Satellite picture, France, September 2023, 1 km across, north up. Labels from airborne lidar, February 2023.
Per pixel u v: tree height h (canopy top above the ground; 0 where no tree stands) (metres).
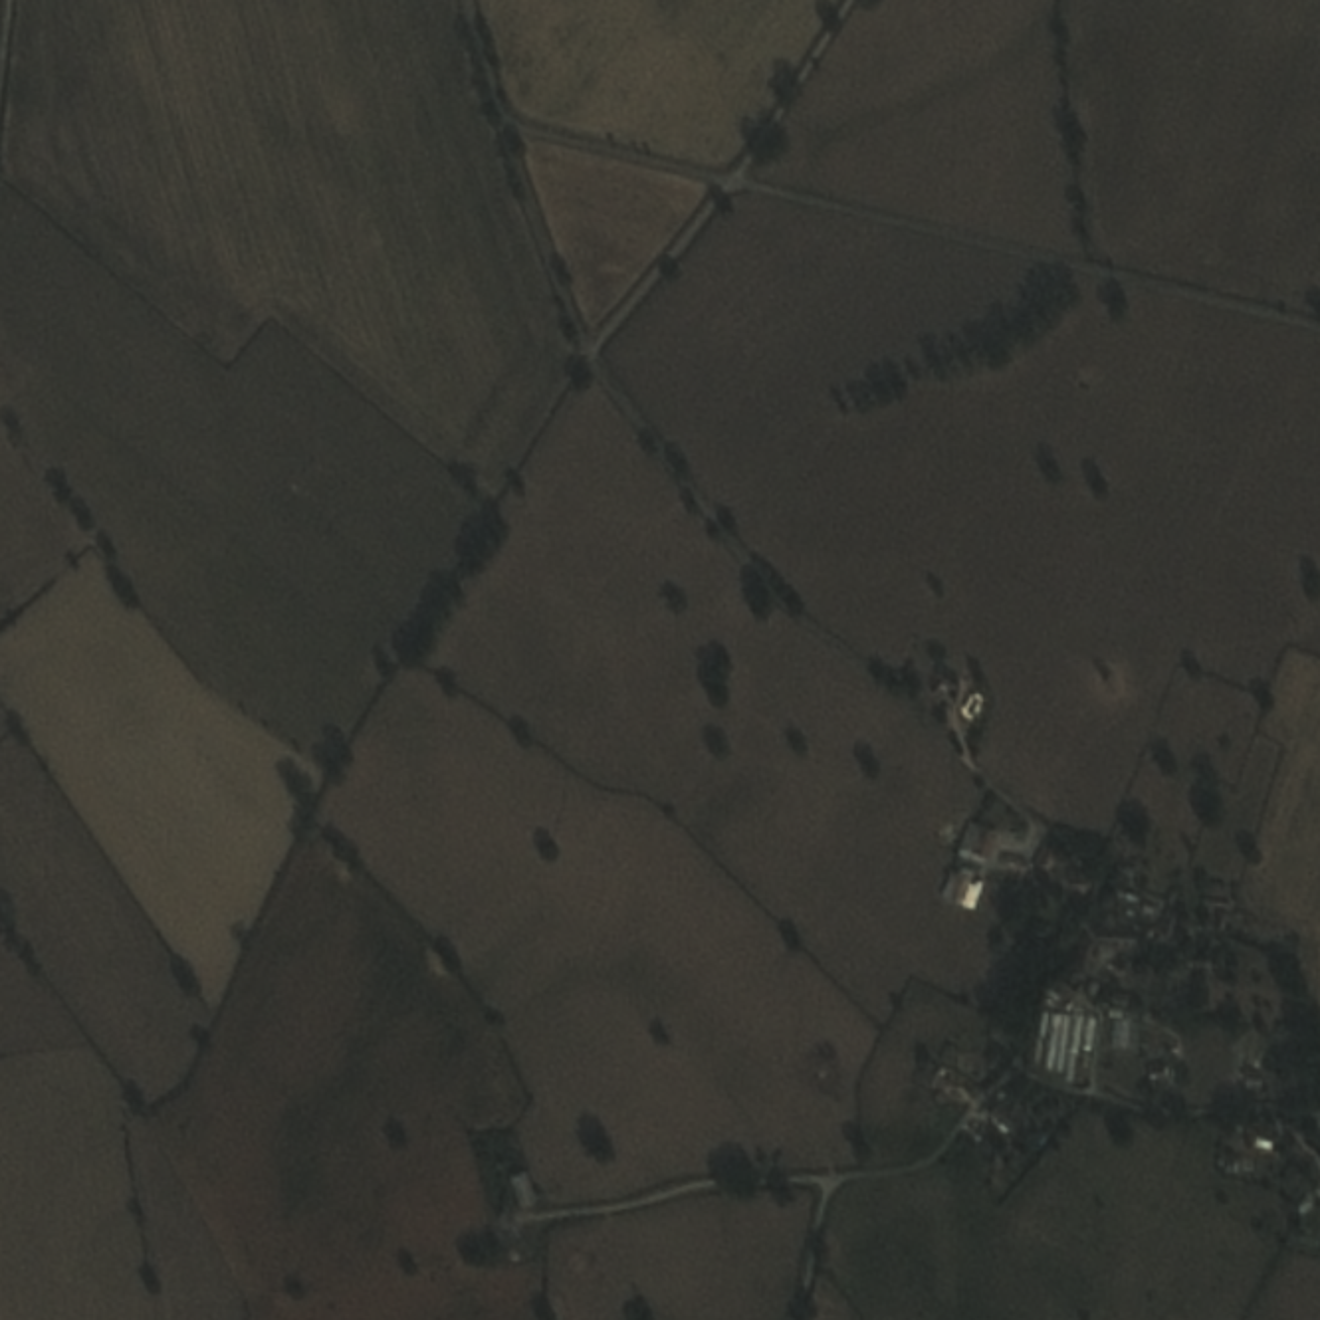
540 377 0
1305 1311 0
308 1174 0
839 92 0
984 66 0
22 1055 0
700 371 0
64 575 0
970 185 0
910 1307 0
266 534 0
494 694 0
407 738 0
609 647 0
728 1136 0
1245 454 0
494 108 12
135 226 0
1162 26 0
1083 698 0
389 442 0
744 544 0
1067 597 0
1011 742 0
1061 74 11
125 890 0
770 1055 0
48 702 0
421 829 0
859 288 0
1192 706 0
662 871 0
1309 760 0
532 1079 0
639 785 0
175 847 0
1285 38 0
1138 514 0
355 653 0
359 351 0
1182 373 0
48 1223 0
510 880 0
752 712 0
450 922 0
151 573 0
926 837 0
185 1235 0
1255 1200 0
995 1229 0
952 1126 0
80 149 0
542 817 0
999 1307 0
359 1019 0
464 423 0
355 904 0
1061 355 0
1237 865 0
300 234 0
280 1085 0
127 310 0
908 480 0
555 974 0
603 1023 0
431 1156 0
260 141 0
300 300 0
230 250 0
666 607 11
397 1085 0
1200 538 0
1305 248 0
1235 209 0
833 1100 0
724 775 0
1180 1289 0
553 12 0
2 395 0
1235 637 0
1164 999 14
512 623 0
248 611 0
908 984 0
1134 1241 0
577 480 0
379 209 0
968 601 0
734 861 0
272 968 0
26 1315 0
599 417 0
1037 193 0
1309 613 0
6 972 0
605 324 0
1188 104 0
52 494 12
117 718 0
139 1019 0
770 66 0
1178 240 0
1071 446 0
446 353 0
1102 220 0
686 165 0
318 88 0
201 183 0
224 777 0
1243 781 0
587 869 0
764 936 0
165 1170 0
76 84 0
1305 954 0
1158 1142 0
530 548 0
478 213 0
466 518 0
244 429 0
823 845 0
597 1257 0
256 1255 0
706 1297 0
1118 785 0
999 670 0
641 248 0
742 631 0
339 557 0
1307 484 0
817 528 0
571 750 0
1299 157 0
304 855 0
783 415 0
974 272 0
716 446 0
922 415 0
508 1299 0
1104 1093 0
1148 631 0
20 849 0
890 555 0
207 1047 10
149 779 0
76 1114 0
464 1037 0
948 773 0
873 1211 0
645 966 0
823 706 0
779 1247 0
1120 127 0
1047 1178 0
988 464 0
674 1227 0
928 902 0
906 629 0
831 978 0
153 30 0
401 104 0
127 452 0
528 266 0
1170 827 0
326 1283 0
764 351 0
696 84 0
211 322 0
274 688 0
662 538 0
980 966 0
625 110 0
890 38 0
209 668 0
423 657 15
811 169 0
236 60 0
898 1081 0
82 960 0
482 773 0
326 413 0
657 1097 0
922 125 0
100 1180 0
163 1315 0
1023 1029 22
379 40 0
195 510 0
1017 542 0
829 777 0
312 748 0
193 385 0
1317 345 0
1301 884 0
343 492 0
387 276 0
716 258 0
